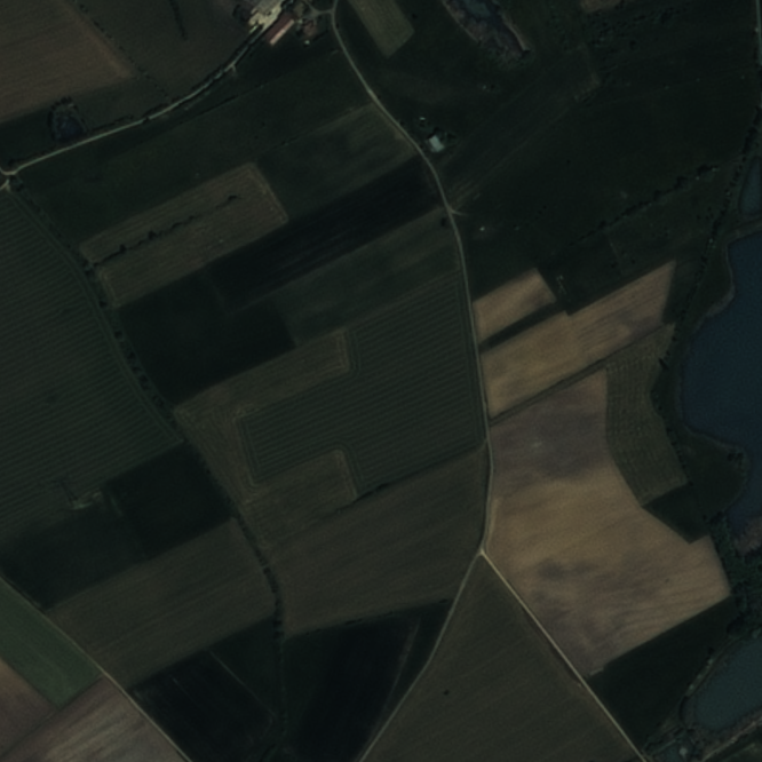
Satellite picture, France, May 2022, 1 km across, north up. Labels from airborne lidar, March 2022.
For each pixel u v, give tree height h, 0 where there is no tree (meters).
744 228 0
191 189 0
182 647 0
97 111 0
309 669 0
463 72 0
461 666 0
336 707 0
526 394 0
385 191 0
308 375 0
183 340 0
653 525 0
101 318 0
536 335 0
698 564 0
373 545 0
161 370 0
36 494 0
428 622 0
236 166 0
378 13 0
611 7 0
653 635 0
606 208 0
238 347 0
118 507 0
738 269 0
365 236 0
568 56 0
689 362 0
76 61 0
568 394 0
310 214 0
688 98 0
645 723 0
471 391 0
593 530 0
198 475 0
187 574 0
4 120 0
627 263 0
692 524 0
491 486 0
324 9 0
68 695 0
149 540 0
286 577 0
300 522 0
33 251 0
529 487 0
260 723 0
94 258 0
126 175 0
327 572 0
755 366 0
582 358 0
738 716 0
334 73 0
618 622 0
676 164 0
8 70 0
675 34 0
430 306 0
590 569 0
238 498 0
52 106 0
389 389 0
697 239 0
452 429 0
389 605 0
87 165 0
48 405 0
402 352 0
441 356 0
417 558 0
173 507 0
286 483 0
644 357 0
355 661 0
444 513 0
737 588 9
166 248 0
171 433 0
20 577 0
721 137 0
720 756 0
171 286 0
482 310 0
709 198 0
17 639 0
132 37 0
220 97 0
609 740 0
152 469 0
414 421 0
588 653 0
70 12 0
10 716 0
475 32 0
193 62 0
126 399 0
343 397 0
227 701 0
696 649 0
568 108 0
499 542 0
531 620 0
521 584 0
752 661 0
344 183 0
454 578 0
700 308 0
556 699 0
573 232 0
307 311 0
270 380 0
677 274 0
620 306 0
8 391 0
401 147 0
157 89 0
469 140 0
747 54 0
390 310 0
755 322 0
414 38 0
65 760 0
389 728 0
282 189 0
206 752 0
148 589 0
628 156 0
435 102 0
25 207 0
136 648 0
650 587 0
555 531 0
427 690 0
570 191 0
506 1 7
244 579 0
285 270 0
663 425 0
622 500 0
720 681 0
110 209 0
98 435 0
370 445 0
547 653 0
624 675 0
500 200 0
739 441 0
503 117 0
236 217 0
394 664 0
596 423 0
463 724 0
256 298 0
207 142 0
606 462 0
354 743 0
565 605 0
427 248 0
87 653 0
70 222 0
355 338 0
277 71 0
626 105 0
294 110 0
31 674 0
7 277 0
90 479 0
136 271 0
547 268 0
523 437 0
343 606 0
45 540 0
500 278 0
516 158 0
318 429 0
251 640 0
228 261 0
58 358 0
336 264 0
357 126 0
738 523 0
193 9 0
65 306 0
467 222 0
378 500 0
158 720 0
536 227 0
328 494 0
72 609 0
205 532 0
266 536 0
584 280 0
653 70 0
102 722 0
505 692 0
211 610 0
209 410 0
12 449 0
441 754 0
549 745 0
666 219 0
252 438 0
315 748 0
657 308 0
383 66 0
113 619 0
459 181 0
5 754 0
